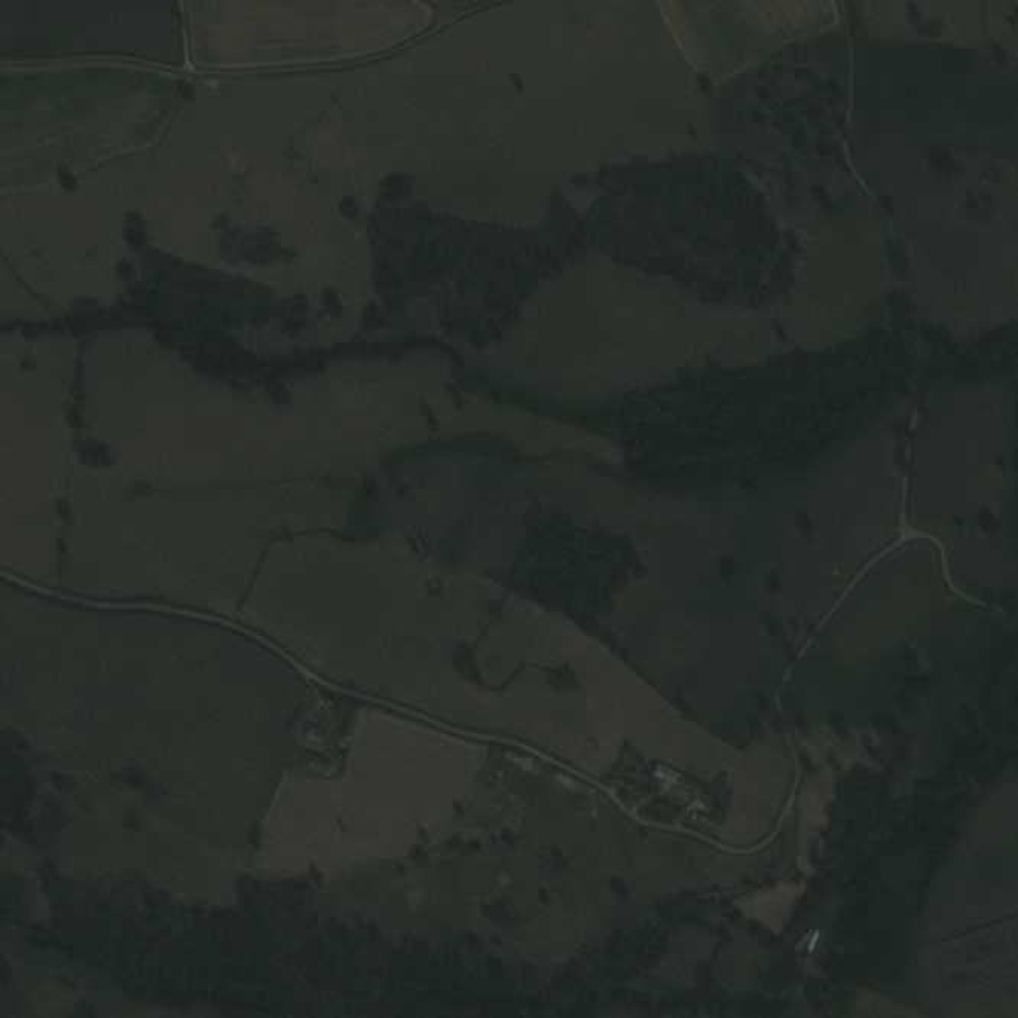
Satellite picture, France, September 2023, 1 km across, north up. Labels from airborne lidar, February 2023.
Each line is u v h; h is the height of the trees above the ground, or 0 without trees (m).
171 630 0
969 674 0
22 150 0
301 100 0
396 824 0
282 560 0
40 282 0
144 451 0
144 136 0
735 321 0
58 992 0
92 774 0
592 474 0
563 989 15
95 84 0
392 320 0
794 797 0
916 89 0
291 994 18
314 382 0
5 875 0
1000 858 0
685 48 0
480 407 0
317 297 0
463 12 0
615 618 0
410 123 0
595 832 0
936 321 0
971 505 0
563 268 14
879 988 0
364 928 11
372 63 0
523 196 0
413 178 0
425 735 0
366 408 0
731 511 0
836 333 0
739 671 0
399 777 0
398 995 11
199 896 0
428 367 0
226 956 19
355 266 0
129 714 0
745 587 0
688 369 0
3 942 0
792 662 12
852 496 0
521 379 0
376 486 12
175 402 0
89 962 9
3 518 0
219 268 0
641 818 0
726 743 0
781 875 0
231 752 0
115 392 0
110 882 0
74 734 0
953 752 0
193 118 0
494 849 0
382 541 0
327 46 0
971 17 0
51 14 0
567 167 0
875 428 0
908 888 0
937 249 0
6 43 0
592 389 0
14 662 0
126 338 0
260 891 10
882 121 0
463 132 0
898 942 0
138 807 0
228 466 0
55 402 0
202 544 0
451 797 0
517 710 0
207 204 0
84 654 0
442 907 0
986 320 0
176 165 0
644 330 0
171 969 21
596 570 7
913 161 0
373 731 0
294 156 0
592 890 0
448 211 0
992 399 0
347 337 0
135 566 0
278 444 0
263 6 0
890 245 0
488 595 0
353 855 0
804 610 0
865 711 0
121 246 0
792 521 0
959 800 9
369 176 0
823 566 0
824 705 0
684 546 0
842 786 13
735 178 17
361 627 0
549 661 0
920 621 0
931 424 0
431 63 0
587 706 0
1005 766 15
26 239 0
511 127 0
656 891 0
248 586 0
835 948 0
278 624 0
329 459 0
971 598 0
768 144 0
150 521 0
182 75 0
